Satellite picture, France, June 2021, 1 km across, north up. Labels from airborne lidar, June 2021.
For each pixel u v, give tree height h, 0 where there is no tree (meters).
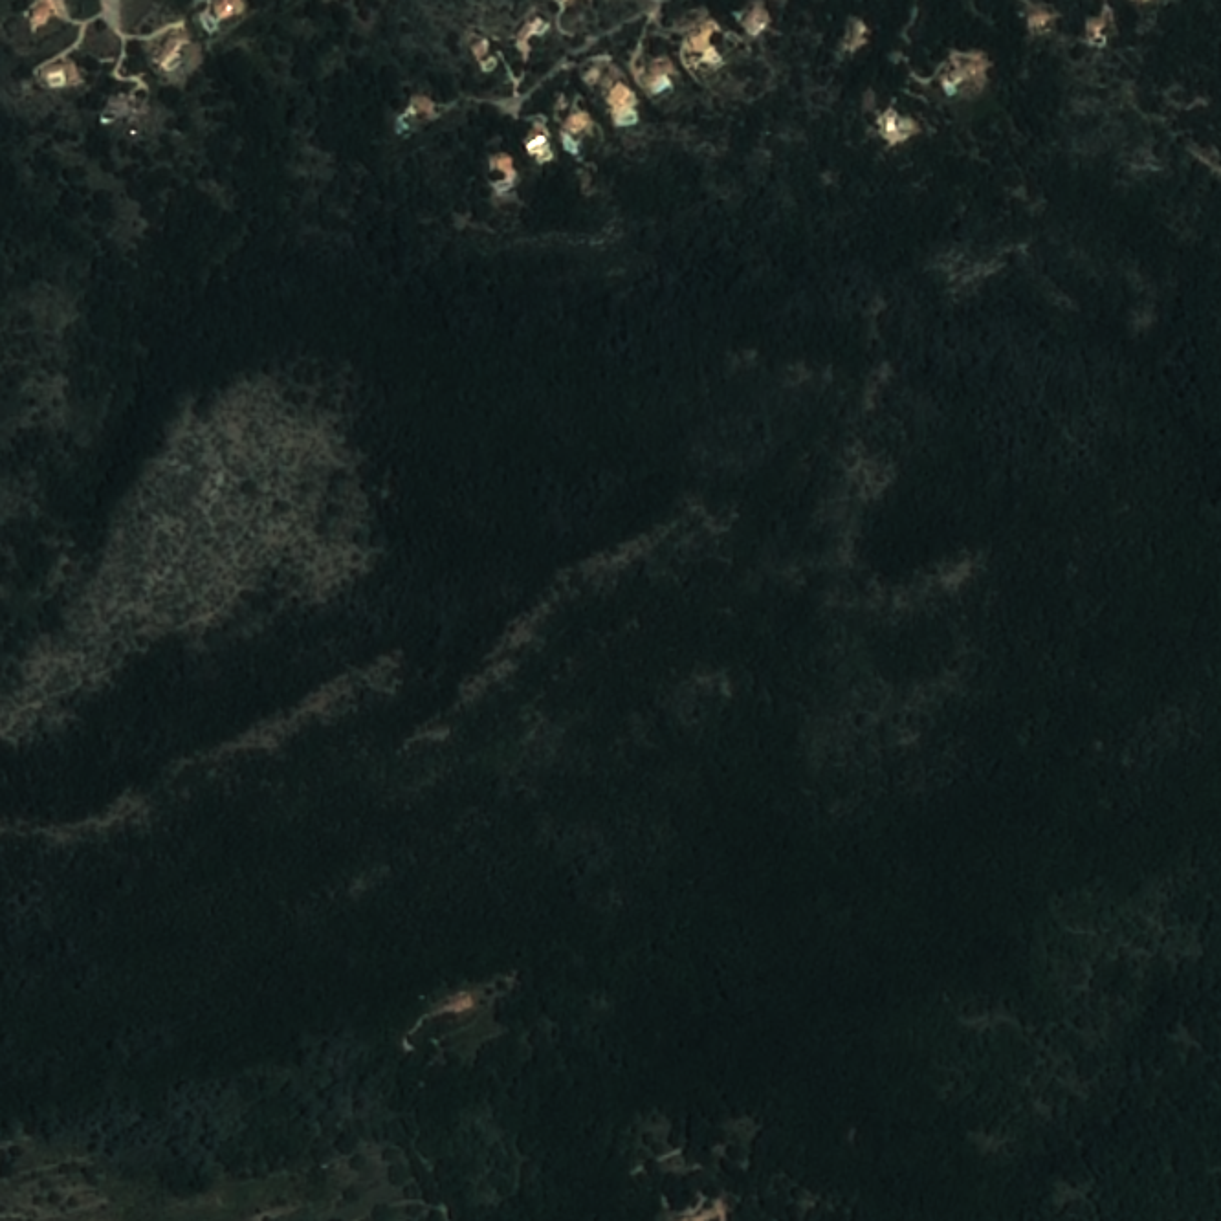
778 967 16
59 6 0
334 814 10
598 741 10
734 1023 16
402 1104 12
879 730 8
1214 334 14
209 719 8
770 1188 13
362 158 10
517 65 8
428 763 7
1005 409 17
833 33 12
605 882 13
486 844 10
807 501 11
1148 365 13
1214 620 10
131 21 0
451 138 9
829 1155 17
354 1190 8
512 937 17
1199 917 13
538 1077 13
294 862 11
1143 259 13
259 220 13
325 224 12
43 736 7
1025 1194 13
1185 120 11
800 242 17
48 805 7
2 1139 18
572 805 10
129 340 16
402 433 6
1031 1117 7
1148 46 7
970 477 12
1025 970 13
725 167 10
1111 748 6
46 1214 0
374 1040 9
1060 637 11
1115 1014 8
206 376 8
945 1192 17
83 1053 11
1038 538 13
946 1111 17
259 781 8
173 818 8
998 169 10
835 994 18
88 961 11
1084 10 9
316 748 9
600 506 11
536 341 14
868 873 16
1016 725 11
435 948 12
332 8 12
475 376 14
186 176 6
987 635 9
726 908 18
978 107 0
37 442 7
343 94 13
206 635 7
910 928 16
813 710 5
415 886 10
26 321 8
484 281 12
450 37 6
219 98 8
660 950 17
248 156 12
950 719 8
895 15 11
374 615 15
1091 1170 10
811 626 10
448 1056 10
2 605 10
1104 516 12
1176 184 8
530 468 10
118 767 9
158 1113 17
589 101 9
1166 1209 9
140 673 8
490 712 8
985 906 17
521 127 10
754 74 7
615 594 8
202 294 18
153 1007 11
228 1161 14
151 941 12
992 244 10
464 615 8
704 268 9
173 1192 9
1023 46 12
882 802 10
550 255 11
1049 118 8
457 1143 7
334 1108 20
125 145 9
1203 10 8
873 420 6
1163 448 14
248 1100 9
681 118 6
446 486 8
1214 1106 11
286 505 12
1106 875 12
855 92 11
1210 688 14
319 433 0
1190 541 18
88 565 6
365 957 15
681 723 6
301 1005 14
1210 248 12
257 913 10
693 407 7
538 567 11
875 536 11
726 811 15
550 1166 14
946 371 12
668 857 9
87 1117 19
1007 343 17
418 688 6
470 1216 11
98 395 10
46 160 13
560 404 11
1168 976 14
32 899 9
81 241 8
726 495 10
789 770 13
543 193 9
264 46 7
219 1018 17
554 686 9
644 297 9
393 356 16
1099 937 6
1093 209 11
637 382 9
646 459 8
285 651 7
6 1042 17
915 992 12
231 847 13
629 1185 14
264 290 11
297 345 8
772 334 9
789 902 17
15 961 8
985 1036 10
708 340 9
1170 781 13
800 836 12
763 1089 13
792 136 6
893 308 14
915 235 14
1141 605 15
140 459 6
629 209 13
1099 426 15
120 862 6
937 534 12
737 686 8
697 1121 14
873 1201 15
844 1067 19
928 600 7
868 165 11
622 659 10
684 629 10
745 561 10
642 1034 16
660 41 8
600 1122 13
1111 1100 10
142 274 14
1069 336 17
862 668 7
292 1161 11
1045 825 18
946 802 15
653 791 11
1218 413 17
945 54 12
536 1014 11
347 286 13
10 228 6
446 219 8
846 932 15
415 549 10
